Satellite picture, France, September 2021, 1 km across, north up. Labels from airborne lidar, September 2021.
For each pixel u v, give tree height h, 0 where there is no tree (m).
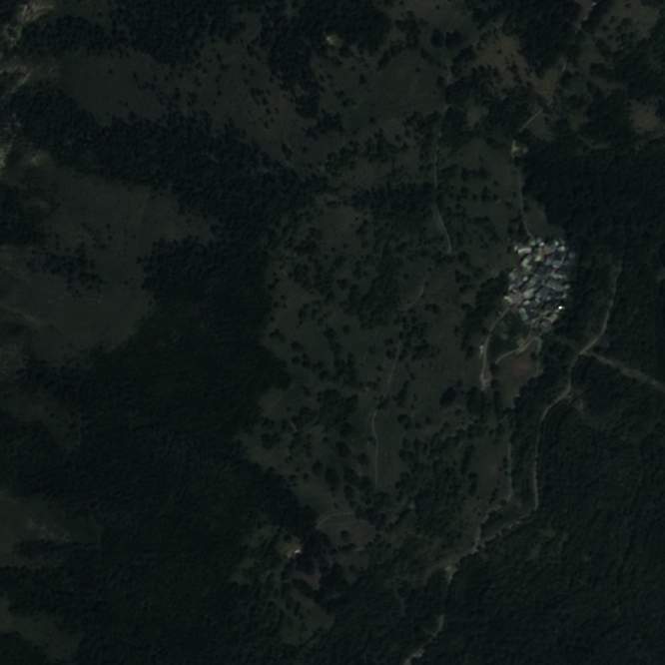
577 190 14
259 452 0
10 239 13
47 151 9
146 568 12
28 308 0
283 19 15
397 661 6
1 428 11
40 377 14
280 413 0
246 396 10
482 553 13
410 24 8
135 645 11
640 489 15
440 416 0
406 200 14
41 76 0
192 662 18
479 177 14
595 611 17
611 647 22
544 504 17
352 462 0
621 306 19
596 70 17
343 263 7
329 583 18
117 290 0
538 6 19
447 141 10
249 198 11
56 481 13
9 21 17
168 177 18
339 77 0
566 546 15
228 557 14
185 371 8
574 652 18
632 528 16
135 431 15
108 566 7
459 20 0
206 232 0
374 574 14
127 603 18
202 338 6
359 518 13
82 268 12
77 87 0
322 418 11
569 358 19
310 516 13
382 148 11
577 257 7
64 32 18
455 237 12
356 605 19
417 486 12
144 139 13
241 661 18
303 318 13
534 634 19
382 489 0
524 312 0
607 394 22
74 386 9
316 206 9
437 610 13
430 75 0
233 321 10
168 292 14
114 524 6
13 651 14
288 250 8
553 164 16
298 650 11
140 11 10
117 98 0
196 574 15
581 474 14
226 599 20
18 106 13
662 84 15
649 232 25
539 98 11
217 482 16
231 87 0
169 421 13
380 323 13
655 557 12
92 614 12
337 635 12
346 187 7
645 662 25
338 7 16
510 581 12
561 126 15
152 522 8
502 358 0
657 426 7
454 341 0
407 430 10
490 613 21
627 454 20
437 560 8
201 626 22
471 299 0
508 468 9
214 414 12
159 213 0
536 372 0
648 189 13
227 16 19
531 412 18
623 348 21
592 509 19
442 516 10
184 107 0
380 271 11
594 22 11
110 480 13
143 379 11
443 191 12
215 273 18
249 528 7
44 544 7
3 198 6
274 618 14
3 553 0
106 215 0
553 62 9
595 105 10
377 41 8
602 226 18
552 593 18
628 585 14
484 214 0
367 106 0
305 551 10
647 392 13
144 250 0
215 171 18
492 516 12
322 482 0
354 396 7
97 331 0
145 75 0
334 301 8
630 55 7
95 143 19
